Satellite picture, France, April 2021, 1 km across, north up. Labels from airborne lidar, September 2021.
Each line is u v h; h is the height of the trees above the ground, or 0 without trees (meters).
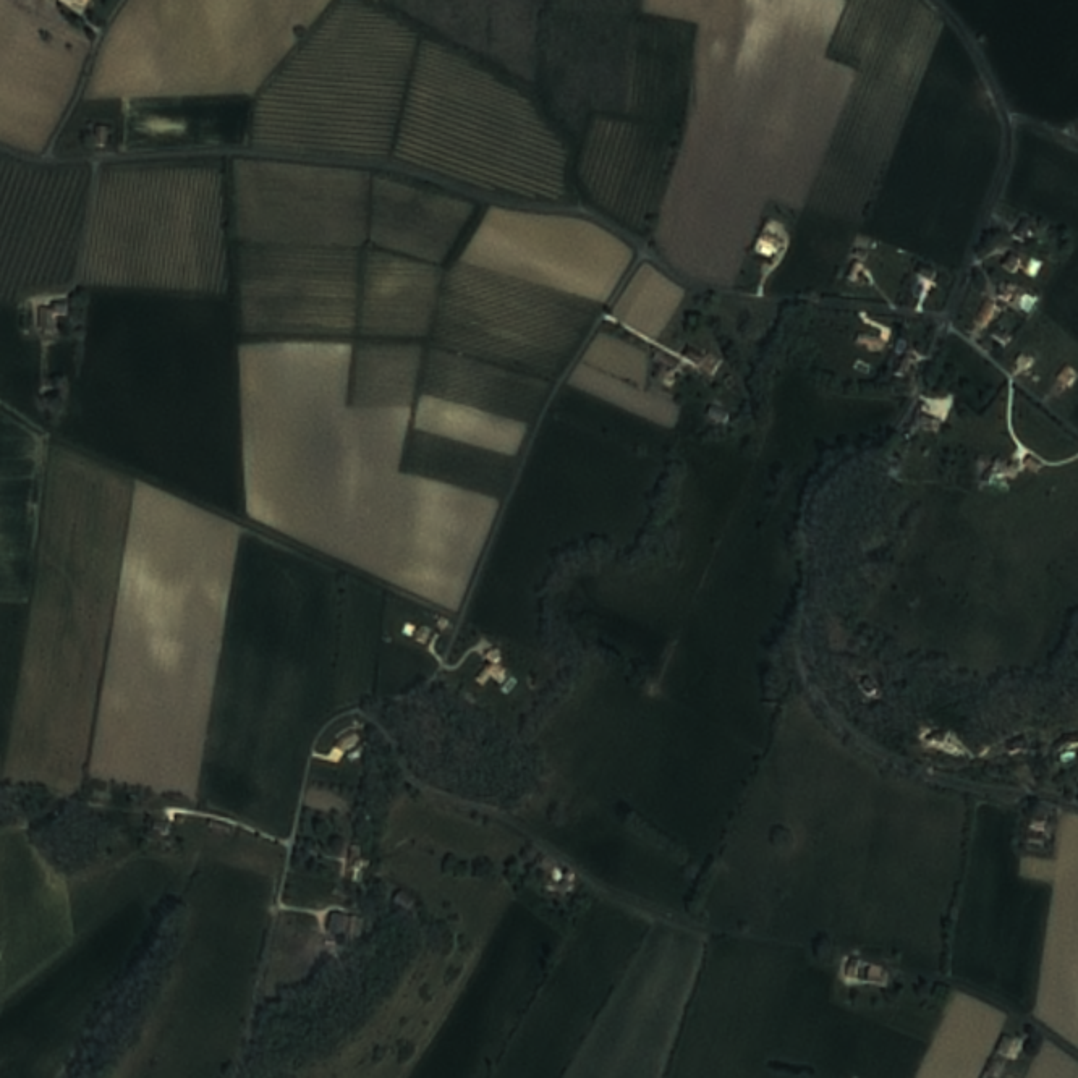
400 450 0
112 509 0
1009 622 0
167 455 0
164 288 0
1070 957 0
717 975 0
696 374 6
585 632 0
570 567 22
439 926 6
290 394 0
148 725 0
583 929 0
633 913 0
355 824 7
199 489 0
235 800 0
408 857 0
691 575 0
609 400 0
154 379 0
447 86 0
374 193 0
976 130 0
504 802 16
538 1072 0
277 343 0
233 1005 0
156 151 0
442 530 0
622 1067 0
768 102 0
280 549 0
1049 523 0
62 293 0
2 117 0
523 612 0
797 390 0
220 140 0
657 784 0
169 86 0
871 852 0
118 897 0
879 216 0
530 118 0
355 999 20
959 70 0
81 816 17
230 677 0
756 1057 0
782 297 0
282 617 0
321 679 0
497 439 0
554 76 0
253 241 0
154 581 0
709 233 0
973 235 0
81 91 0
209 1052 0
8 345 0
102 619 0
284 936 0
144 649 0
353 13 0
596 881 0
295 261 0
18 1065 0
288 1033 17
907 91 0
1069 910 0
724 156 0
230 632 0
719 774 0
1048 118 0
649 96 0
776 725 10
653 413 0
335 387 0
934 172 0
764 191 0
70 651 0
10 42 0
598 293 0
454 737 17
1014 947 0
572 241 0
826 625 16
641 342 6
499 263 0
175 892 0
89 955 0
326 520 0
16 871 0
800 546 17
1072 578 0
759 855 0
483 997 0
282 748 0
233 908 0
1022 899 0
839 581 15
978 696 16
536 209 0
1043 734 18
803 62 0
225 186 0
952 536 0
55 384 12
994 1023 0
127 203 0
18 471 0
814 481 14
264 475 0
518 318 0
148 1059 0
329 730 0
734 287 0
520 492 0
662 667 0
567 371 0
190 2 0
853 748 18
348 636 0
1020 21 0
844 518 17
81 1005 0
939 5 0
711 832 0
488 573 0
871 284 0
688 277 0
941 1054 0
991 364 9
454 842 0
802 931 0
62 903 0
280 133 0
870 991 0
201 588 0
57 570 0
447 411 0
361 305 0
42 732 0
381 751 18
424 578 0
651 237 6
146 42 0
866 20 0
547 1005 0
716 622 0
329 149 0
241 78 0
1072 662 20
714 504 0
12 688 0
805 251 0
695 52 0
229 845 0
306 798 0
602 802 0
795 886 0
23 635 0
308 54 0
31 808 18
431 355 0
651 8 0
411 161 0
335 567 0
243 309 0
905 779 14
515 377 0
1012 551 0
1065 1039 0
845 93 0
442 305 0
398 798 21
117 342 0
